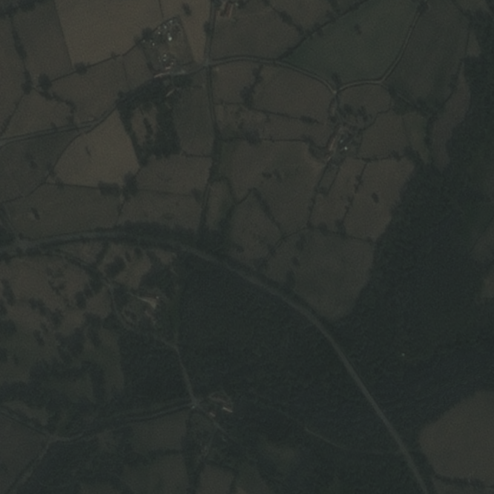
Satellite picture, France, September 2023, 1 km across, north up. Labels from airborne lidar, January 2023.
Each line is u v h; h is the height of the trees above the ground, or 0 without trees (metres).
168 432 0
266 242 0
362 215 0
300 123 0
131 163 0
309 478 16
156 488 0
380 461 19
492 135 0
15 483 7
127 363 6
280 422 19
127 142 0
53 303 0
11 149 0
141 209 0
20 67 0
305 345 20
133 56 0
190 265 21
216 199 0
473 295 19
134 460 21
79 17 0
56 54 0
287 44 0
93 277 18
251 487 0
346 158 0
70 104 10
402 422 22
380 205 0
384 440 17
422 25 0
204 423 0
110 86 0
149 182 0
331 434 20
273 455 0
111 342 0
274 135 0
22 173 0
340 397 8
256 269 13
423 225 26
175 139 15
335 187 0
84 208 0
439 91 0
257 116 0
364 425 24
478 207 0
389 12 0
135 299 0
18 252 14
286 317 16
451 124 0
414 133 0
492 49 6
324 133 0
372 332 16
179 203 0
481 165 0
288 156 0
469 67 12
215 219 0
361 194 0
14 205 0
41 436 0
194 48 0
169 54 0
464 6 0
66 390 0
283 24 0
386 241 21
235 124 0
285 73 0
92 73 0
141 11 0
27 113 0
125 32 0
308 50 0
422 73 0
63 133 0
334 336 13
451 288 17
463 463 0
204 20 0
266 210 18
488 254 0
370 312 15
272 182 0
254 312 16
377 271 20
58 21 0
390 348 24
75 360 0
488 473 0
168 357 9
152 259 16
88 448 7
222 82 0
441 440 0
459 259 18
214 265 9
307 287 0
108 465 8
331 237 0
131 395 10
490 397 0
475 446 0
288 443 0
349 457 23
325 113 0
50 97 10
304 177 0
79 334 21
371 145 0
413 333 27
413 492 20
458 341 6
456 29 0
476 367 24
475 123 20
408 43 0
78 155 0
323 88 0
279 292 11
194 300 13
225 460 8
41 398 21
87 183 0
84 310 0
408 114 0
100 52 0
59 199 0
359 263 0
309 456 35
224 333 18
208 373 8
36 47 0
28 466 7
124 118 18
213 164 12
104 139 0
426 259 21
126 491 20
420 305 22
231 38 0
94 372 14
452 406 12
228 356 18
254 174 0
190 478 7
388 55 0
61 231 0
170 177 0
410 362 0
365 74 0
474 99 14
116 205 0
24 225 0
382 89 0
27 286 0
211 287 19
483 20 22
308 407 11
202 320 19
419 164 16
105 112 0
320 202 0
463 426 0
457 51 0
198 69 0
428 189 23
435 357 8
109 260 0
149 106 0
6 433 0
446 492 0
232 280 18
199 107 0
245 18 0
